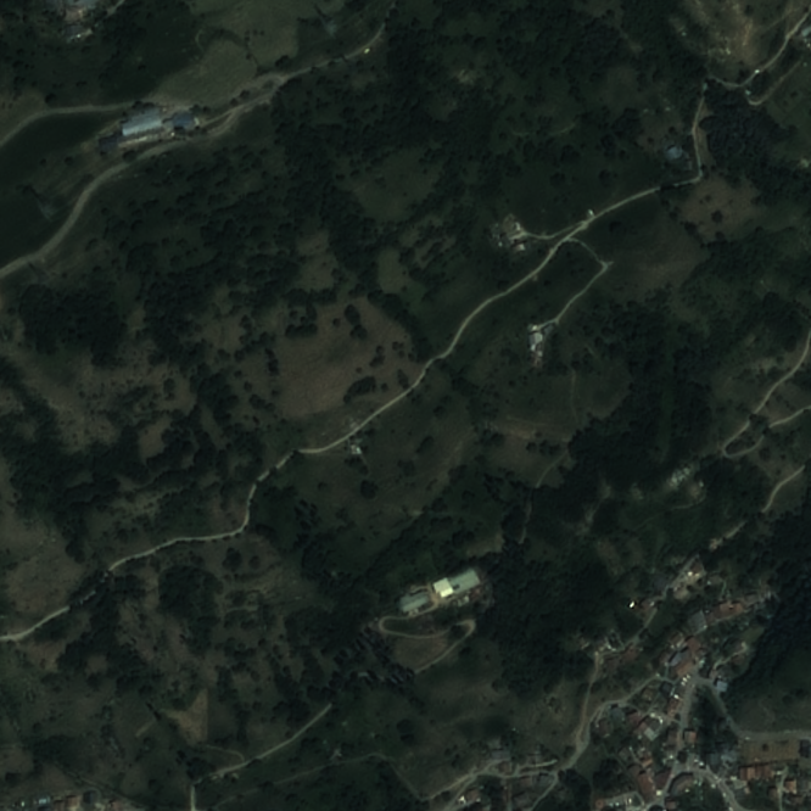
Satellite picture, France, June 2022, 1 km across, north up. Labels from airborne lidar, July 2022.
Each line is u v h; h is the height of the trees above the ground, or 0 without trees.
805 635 22
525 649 16
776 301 18
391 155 12
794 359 0
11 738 0
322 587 10
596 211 0
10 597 0
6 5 16
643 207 0
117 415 8
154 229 0
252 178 0
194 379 11
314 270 0
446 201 18
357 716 0
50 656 0
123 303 0
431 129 15
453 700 0
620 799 0
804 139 0
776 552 19
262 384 0
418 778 0
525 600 26
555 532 11
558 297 0
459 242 10
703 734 7
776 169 22
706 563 12
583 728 0
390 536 0
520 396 0
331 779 19
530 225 0
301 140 19
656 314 8
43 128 0
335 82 7
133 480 10
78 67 0
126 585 12
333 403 0
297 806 14
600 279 0
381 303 10
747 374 7
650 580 9
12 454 14
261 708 9
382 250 11
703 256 0
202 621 12
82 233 0
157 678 15
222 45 0
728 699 8
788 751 0
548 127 13
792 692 7
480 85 11
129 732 0
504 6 13
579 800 8
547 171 0
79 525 15
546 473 0
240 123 0
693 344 24
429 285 16
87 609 16
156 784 12
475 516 0
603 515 13
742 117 22
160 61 0
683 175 6
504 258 6
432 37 12
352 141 17
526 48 11
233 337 0
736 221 0
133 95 0
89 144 0
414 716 0
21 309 10
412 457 0
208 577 8
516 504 7
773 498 0
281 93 13
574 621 24
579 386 0
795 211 0
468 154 11
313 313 8
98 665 0
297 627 14
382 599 10
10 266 0
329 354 0
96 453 14
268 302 15
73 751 0
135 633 0
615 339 21
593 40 20
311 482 0
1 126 0
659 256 0
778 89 0
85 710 0
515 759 7
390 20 12
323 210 8
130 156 17
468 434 0
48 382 0
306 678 10
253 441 10
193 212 10
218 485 11
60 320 29
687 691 0
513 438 0
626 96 0
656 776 0
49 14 10
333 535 9
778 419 0
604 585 12
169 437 17
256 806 0
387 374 0
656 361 23
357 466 18
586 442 17
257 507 13
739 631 9
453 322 0
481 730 0
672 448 8
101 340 20
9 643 7
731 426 0
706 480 14
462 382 15
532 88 0
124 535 13
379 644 6
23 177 0
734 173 6
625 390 0
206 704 0
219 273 21
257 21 0
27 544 0
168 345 12
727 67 0
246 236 9
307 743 12
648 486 9
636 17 15
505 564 20
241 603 13
